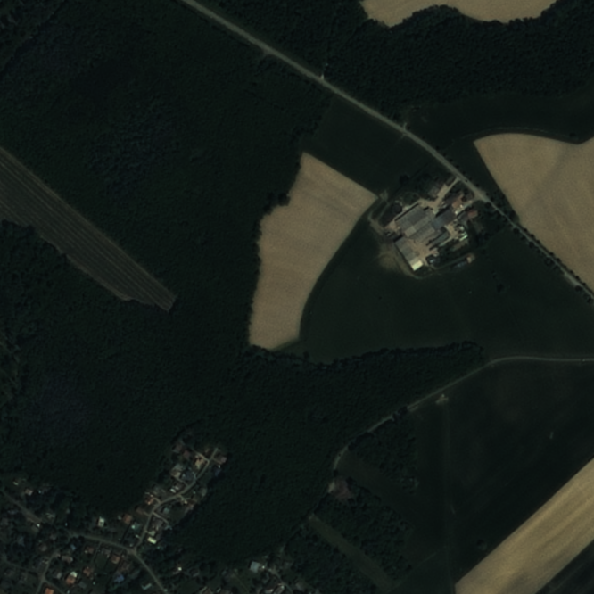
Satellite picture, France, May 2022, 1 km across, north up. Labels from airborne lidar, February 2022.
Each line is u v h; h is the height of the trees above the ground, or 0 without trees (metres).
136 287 0
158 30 12
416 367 17
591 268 0
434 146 0
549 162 0
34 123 11
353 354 0
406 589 0
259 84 10
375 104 17
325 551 18
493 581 0
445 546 0
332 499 14
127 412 10
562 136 0
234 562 18
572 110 0
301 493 12
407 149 0
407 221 0
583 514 0
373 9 0
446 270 0
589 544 0
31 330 15
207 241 14
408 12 0
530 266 0
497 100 0
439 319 0
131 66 14
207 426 15
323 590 12
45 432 16
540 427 0
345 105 0
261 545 14
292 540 16
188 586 0
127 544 10
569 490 0
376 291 0
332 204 0
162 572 11
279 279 0
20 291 19
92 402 12
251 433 13
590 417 0
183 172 11
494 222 0
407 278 0
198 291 13
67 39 23
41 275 21
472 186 0
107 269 0
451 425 0
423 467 0
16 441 8
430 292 0
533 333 0
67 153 9
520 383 0
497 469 0
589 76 14
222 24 0
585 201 0
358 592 15
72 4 12
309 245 0
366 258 0
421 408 0
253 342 0
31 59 21
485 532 0
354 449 15
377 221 0
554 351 0
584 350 0
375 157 0
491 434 0
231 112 10
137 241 10
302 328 0
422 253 0
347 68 18
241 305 12
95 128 6
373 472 0
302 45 20
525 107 0
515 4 0
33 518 0
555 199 0
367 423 11
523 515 0
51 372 15
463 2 0
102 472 21
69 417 16
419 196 0
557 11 19
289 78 11
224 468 11
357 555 0
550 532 0
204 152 10
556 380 0
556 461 0
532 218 0
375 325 0
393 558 10
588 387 0
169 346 10
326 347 0
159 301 0
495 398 0
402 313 0
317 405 17
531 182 0
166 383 12
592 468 0
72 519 21
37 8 23
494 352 0
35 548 19
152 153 16
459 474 0
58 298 15
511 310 0
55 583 13
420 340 0
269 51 0
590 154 0
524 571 0
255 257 14
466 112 0
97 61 11
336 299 0
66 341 12
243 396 17
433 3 0
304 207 0
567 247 0
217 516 16
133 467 9
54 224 0
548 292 0
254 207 12
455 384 0
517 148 0
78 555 9
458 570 0
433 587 0
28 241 20
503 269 0
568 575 0
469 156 0
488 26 16
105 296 10
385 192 0
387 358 19
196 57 13
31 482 12
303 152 0
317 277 0
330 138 0
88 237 0
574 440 0
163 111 14
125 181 14
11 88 22
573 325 0
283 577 8
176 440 12
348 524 17
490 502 0
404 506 0
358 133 0
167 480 14
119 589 10
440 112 0
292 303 0
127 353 9
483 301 0
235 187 11
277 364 18
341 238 0
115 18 14
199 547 15
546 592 0
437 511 0
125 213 10
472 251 0
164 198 11
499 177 0
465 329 0
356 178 0
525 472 0
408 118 0
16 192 0
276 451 12
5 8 0
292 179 9
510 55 19
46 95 13
